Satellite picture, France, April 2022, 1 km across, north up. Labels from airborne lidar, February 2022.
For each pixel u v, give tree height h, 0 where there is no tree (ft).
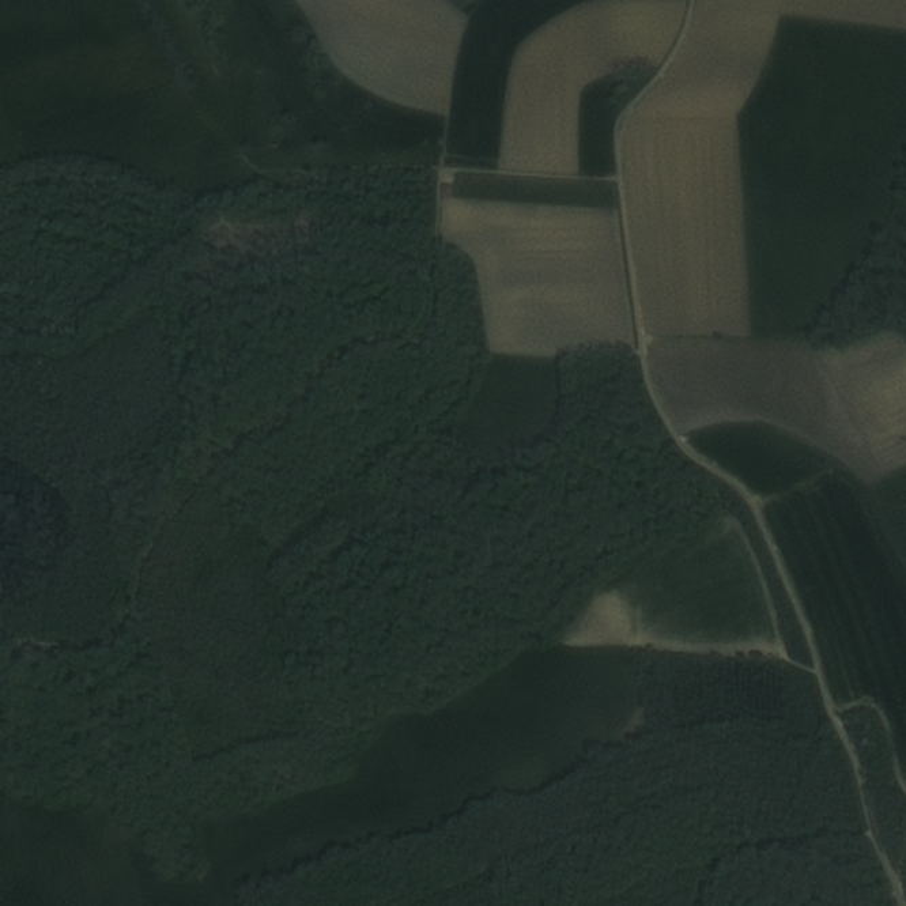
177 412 40
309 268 79
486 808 59
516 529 94
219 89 0
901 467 0
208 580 40
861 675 0
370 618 83
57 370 45
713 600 0
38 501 81
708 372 0
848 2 0
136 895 0
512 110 0
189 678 40
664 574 0
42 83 0
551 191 0
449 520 83
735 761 57
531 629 72
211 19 45
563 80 0
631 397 79
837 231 0
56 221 53
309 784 65
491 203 0
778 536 0
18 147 0
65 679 83
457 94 0
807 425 0
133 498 43
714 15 0
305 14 0
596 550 91
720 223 0
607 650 0
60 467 47
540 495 89
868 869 62
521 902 83
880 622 0
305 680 76
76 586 21
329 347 72
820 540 0
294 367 72
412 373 73
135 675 86
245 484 85
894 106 0
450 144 0
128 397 47
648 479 85
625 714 0
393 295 69
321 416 78
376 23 0
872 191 0
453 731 0
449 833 49
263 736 36
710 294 0
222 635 44
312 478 86
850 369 0
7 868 0
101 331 79
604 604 0
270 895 43
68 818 0
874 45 0
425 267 69
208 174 0
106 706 88
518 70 0
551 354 0
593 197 0
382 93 0
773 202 0
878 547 0
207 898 0
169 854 88
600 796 65
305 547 94
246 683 43
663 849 81
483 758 0
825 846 59
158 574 40
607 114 0
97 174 92
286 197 62
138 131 0
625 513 82
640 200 0
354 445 78
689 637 0
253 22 0
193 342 75
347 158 0
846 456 0
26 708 97
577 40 0
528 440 0
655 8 0
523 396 0
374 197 71
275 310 90
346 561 95
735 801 70
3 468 77
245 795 45
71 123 0
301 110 0
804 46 0
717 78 0
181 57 55
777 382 0
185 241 76
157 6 47
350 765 73
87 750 99
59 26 0
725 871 78
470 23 0
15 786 89
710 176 0
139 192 61
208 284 78
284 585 75
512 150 0
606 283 0
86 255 52
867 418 0
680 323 0
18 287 75
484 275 0
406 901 30
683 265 0
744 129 0
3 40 0
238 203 63
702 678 0
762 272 0
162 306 62
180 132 0
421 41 0
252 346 78
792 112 0
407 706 80
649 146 0
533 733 0
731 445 0
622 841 80
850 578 0
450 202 0
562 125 0
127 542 34
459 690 73
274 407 79
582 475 80
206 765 82
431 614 78
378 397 74
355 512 34
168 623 39
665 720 76
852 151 0
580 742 0
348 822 0
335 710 80
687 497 83
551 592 76
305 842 0
